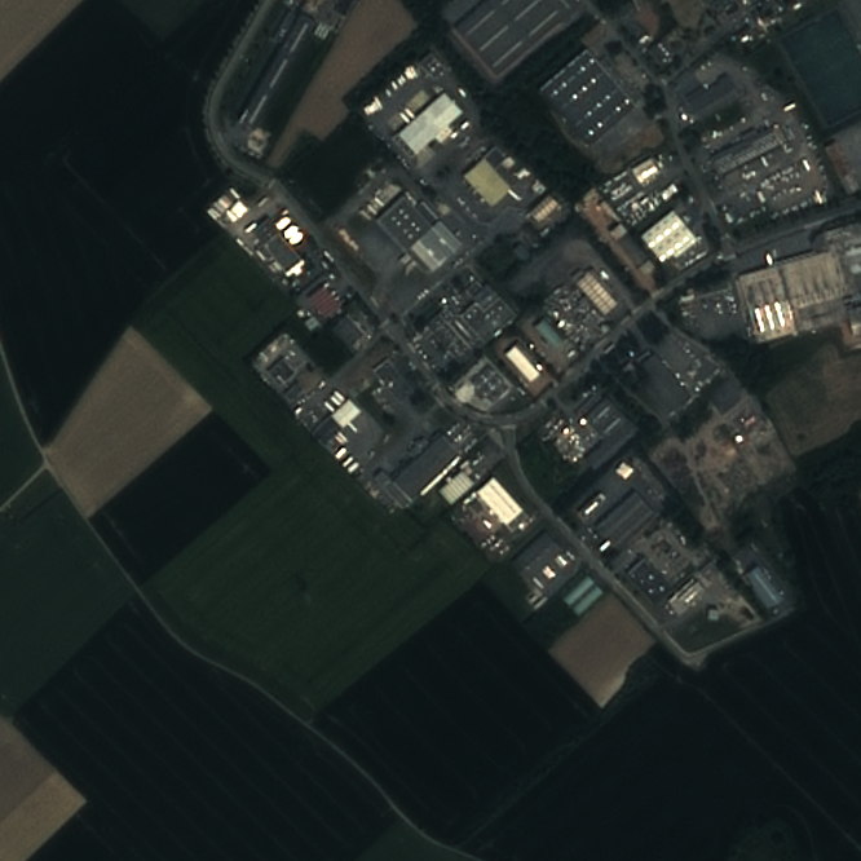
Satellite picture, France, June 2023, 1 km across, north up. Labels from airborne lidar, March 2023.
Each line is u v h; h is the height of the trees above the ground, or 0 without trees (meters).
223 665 0
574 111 0
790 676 0
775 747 0
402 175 0
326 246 0
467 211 0
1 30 0
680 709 0
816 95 0
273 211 0
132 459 0
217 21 0
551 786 0
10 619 0
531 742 0
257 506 0
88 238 0
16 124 0
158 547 0
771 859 0
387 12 0
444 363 0
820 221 0
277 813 0
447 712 0
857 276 0
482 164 0
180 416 0
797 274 0
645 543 0
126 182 0
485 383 0
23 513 0
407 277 0
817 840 0
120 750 0
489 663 0
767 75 0
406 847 0
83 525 0
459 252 0
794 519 0
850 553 0
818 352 0
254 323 0
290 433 0
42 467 0
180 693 0
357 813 0
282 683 0
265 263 0
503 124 11
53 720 0
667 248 0
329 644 0
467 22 0
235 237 0
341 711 0
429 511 0
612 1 9
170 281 0
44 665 0
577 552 0
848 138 0
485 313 0
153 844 0
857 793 0
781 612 0
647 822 0
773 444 0
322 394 0
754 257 0
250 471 0
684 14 0
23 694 0
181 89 0
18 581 0
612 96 0
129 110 0
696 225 0
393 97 0
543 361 6
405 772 0
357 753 0
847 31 0
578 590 0
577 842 0
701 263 0
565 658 0
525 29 0
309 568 0
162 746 0
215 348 0
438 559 0
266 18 0
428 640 0
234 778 0
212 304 0
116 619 0
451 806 0
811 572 0
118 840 0
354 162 0
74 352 0
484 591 0
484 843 0
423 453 0
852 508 0
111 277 0
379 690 0
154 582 0
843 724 0
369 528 0
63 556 0
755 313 0
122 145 0
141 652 0
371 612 0
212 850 0
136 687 0
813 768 0
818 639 0
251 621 0
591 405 0
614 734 0
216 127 0
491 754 0
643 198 0
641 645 0
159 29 0
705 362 0
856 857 0
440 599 0
